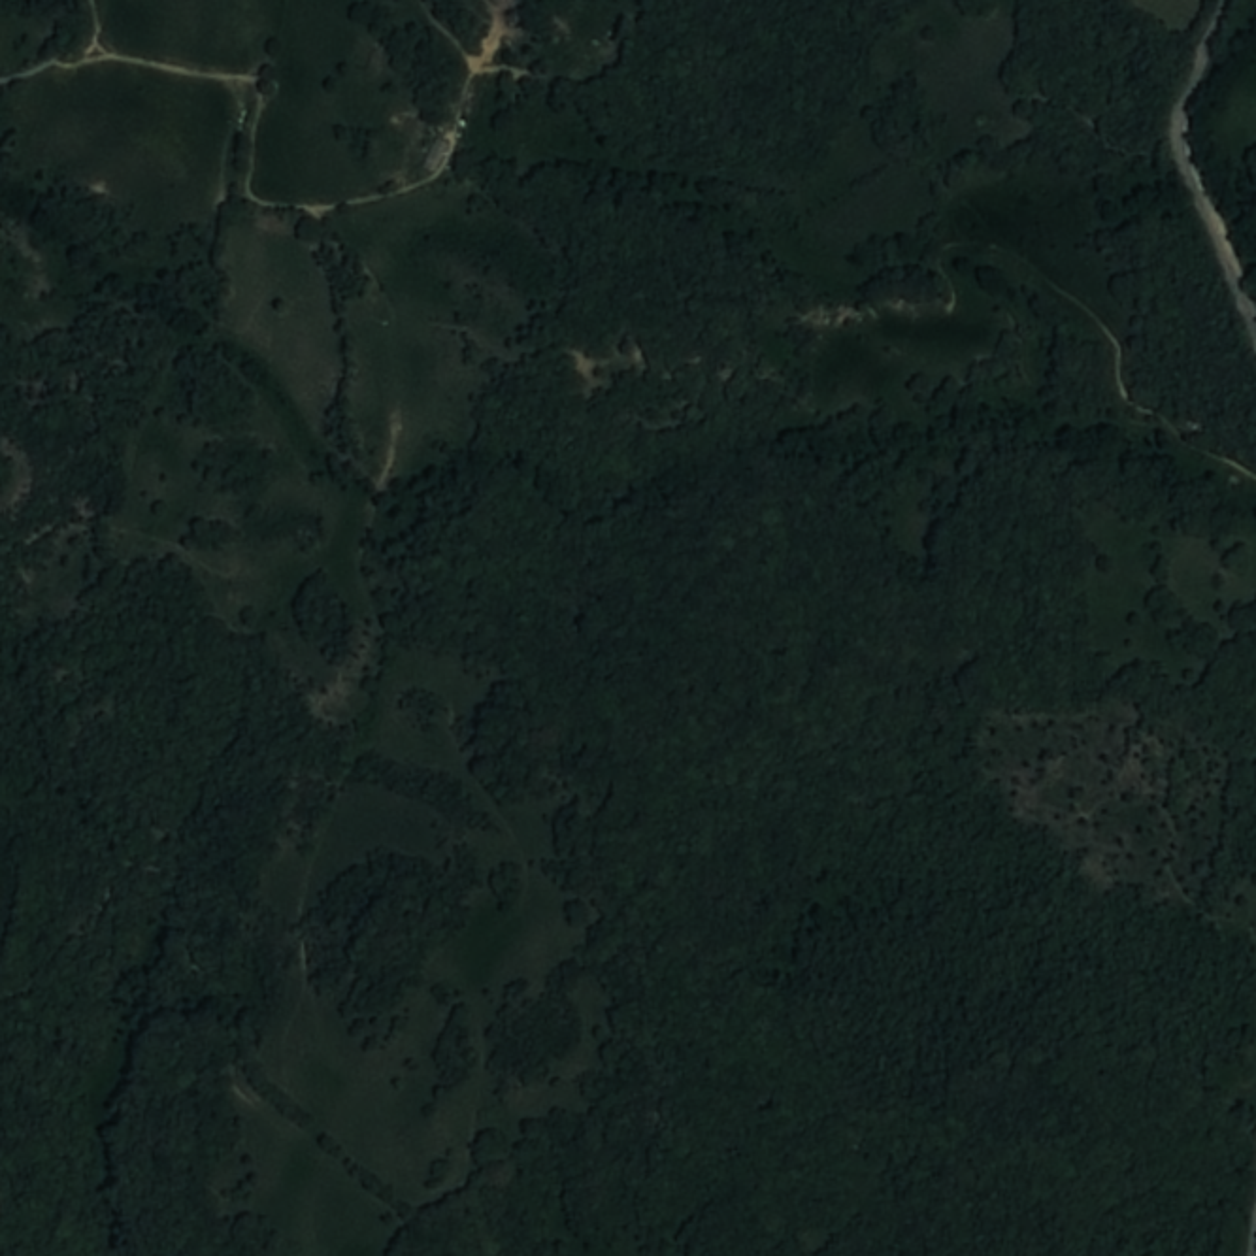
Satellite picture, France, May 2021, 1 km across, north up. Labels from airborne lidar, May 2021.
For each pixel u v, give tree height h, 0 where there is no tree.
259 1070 13
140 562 9
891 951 9
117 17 0
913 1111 12
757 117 12
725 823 13
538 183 17
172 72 0
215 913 11
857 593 20
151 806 11
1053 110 16
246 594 0
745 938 16
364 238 0
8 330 15
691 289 8
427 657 0
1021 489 14
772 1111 14
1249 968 6
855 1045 9
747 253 15
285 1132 0
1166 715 17
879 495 10
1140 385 8
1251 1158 11
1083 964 10
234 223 11
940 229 12
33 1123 17
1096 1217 17
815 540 19
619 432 18
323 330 0
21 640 11
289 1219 0
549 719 16
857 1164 14
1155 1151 17
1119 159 15
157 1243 20
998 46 0
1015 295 12
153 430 0
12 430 9
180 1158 16
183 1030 20
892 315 0
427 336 0
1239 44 19
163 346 14
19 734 17
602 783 13
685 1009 13
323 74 0
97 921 9
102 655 9
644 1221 13
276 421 0
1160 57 14
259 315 0
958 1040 10
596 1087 7
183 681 10
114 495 17
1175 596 13
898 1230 15
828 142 11
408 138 0
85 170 0
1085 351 10
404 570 13
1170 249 13
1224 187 20
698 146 9
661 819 12
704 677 11
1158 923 11
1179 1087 18
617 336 14
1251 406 9
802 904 15
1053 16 17
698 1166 14
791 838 16
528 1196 12
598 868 7
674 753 16
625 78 14
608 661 23
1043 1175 17
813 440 20
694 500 20
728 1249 15
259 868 8
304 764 8
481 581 15
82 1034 19
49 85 0
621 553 22
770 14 9
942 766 13
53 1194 14
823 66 13
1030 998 10
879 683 17
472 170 13
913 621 17
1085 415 13
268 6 0
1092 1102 17
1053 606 18
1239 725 14
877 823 9
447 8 10
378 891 8
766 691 18
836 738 10
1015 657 16
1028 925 9
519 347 8
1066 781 0
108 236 12
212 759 11
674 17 8
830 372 0
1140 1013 9
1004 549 16
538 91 14
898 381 0
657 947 8
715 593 18
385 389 0
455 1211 15
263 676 12
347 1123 0
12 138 14
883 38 9
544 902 0
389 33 8
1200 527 15
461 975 0
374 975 14
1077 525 13
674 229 18
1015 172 6
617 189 16
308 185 0
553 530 20
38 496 9
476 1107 0
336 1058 0
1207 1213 8
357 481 7
